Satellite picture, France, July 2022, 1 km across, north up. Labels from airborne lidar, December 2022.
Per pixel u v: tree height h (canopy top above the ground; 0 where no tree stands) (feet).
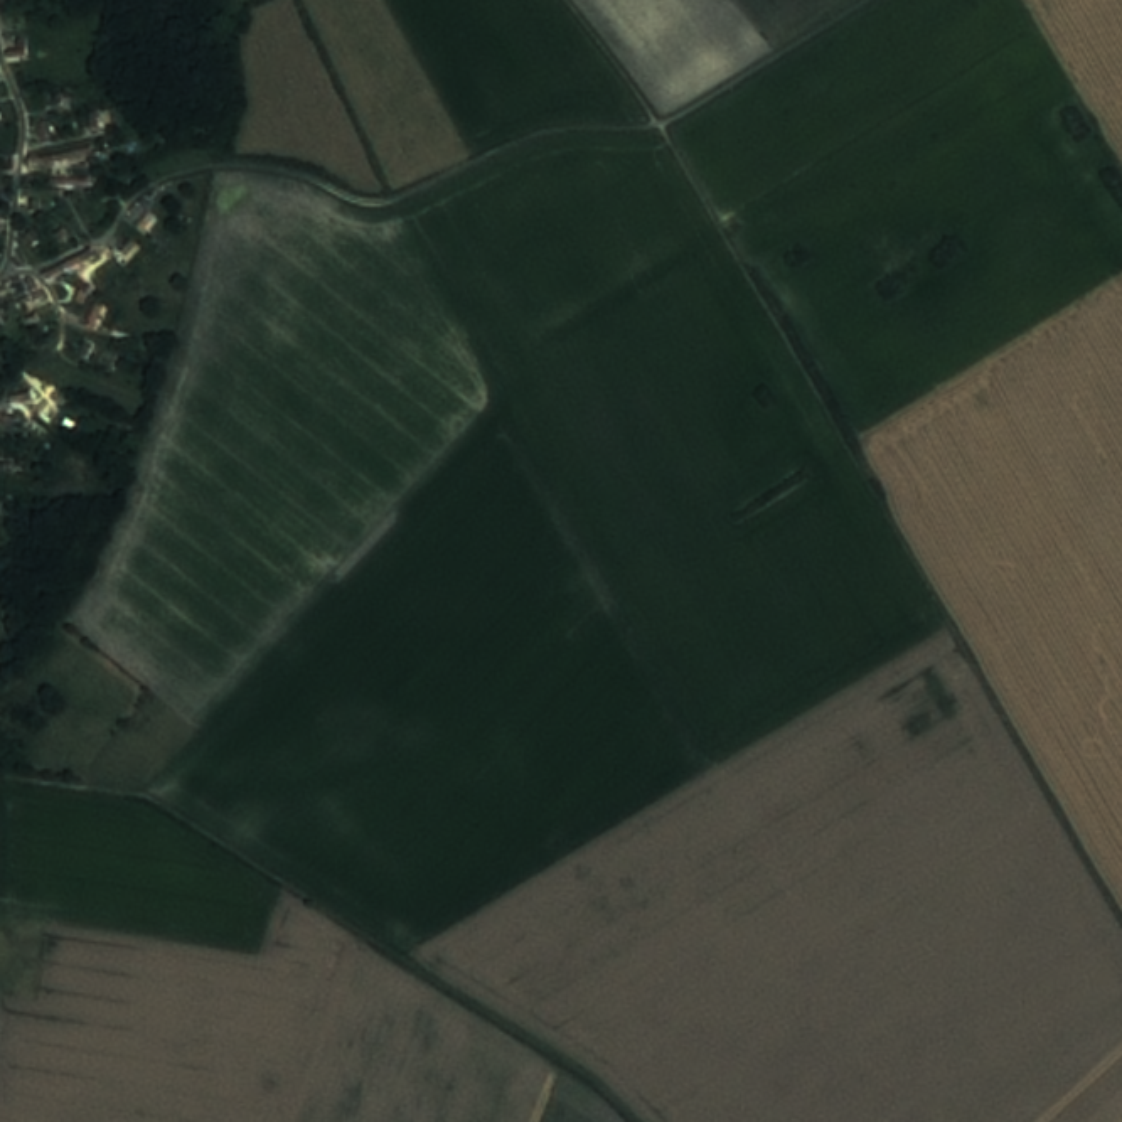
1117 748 0
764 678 0
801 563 0
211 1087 0
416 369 0
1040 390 0
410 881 0
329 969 0
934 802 0
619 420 0
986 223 0
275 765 0
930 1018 0
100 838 0
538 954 0
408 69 0
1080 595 0
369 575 0
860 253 0
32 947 0
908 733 0
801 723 0
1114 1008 0
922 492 0
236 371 0
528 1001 0
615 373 0
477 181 0
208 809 0
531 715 0
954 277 0
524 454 0
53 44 0
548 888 0
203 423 0
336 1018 0
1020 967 0
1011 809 0
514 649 0
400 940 0
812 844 0
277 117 0
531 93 0
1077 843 0
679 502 0
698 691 0
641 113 0
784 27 0
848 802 0
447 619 0
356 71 0
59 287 0
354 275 0
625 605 0
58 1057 0
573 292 0
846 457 0
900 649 0
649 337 0
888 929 0
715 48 0
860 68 0
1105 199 0
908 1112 0
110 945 0
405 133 0
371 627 0
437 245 0
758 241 0
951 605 0
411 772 0
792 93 0
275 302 0
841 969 0
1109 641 0
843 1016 0
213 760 0
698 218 0
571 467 0
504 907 0
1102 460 0
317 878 0
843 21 0
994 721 0
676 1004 0
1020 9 0
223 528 0
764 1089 0
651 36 0
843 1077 0
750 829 0
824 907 0
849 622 0
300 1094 0
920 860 0
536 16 0
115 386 0
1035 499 0
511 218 0
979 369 0
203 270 0
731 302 0
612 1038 0
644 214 0
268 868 0
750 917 0
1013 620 0
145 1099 0
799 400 0
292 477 0
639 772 0
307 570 0
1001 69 0
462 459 0
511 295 0
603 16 0
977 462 0
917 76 0
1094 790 0
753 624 0
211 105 84
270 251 0
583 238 0
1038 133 0
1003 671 0
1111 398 0
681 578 0
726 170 0
